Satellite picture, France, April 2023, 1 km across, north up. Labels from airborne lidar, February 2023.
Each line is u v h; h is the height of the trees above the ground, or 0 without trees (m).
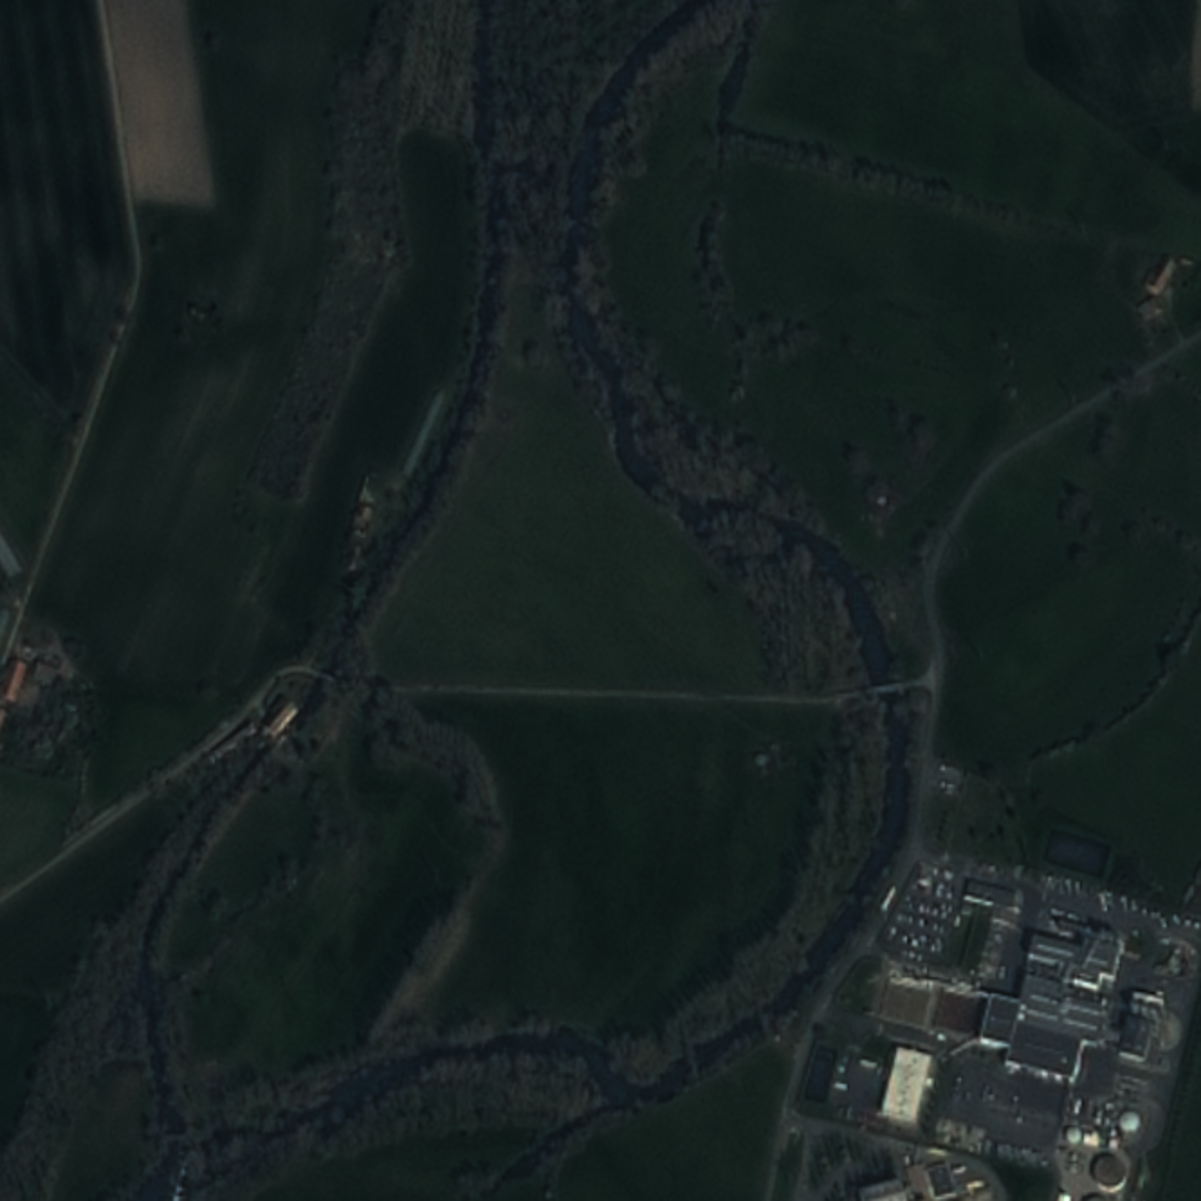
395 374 0
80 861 0
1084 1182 0
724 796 0
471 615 0
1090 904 0
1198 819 0
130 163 0
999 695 0
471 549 0
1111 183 0
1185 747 0
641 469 0
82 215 0
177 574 0
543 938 0
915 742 13
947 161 0
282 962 0
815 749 0
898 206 0
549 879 0
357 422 0
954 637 0
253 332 0
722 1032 23
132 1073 0
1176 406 0
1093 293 0
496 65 12
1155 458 0
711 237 15
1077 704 0
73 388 0
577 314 0
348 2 0
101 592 0
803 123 0
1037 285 0
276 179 0
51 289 0
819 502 0
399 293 0
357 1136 19
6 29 0
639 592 0
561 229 21
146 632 0
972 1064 0
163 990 9
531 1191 0
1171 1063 0
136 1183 8
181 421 0
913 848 0
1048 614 0
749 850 0
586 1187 0
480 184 18
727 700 0
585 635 0
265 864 0
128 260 0
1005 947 0
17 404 0
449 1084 21
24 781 0
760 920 0
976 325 0
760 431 0
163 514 0
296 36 0
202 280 0
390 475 0
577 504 0
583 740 0
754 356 15
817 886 30
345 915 0
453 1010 0
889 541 0
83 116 0
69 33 0
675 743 0
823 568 7
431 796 0
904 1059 0
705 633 0
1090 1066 0
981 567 0
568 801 0
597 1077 0
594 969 0
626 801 0
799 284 0
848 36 0
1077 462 0
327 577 0
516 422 0
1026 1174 0
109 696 0
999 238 0
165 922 21
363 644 22
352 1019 0
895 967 0
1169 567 0
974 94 0
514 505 0
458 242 0
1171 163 0
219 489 0
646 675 0
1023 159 0
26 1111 6
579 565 0
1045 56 0
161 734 0
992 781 15
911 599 0
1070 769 0
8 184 0
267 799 0
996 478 0
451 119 36
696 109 0
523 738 0
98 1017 25
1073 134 0
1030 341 0
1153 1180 0
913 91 0
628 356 6
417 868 0
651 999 0
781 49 0
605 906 0
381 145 12
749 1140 0
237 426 0
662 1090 0
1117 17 0
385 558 14
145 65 0
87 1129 0
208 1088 0
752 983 34
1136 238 0
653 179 0
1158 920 0
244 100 0
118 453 0
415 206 0
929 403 0
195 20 0
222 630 0
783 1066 0
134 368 0
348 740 0
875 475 0
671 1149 0
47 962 0
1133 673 0
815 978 6
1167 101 0
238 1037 0
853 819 31
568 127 21
